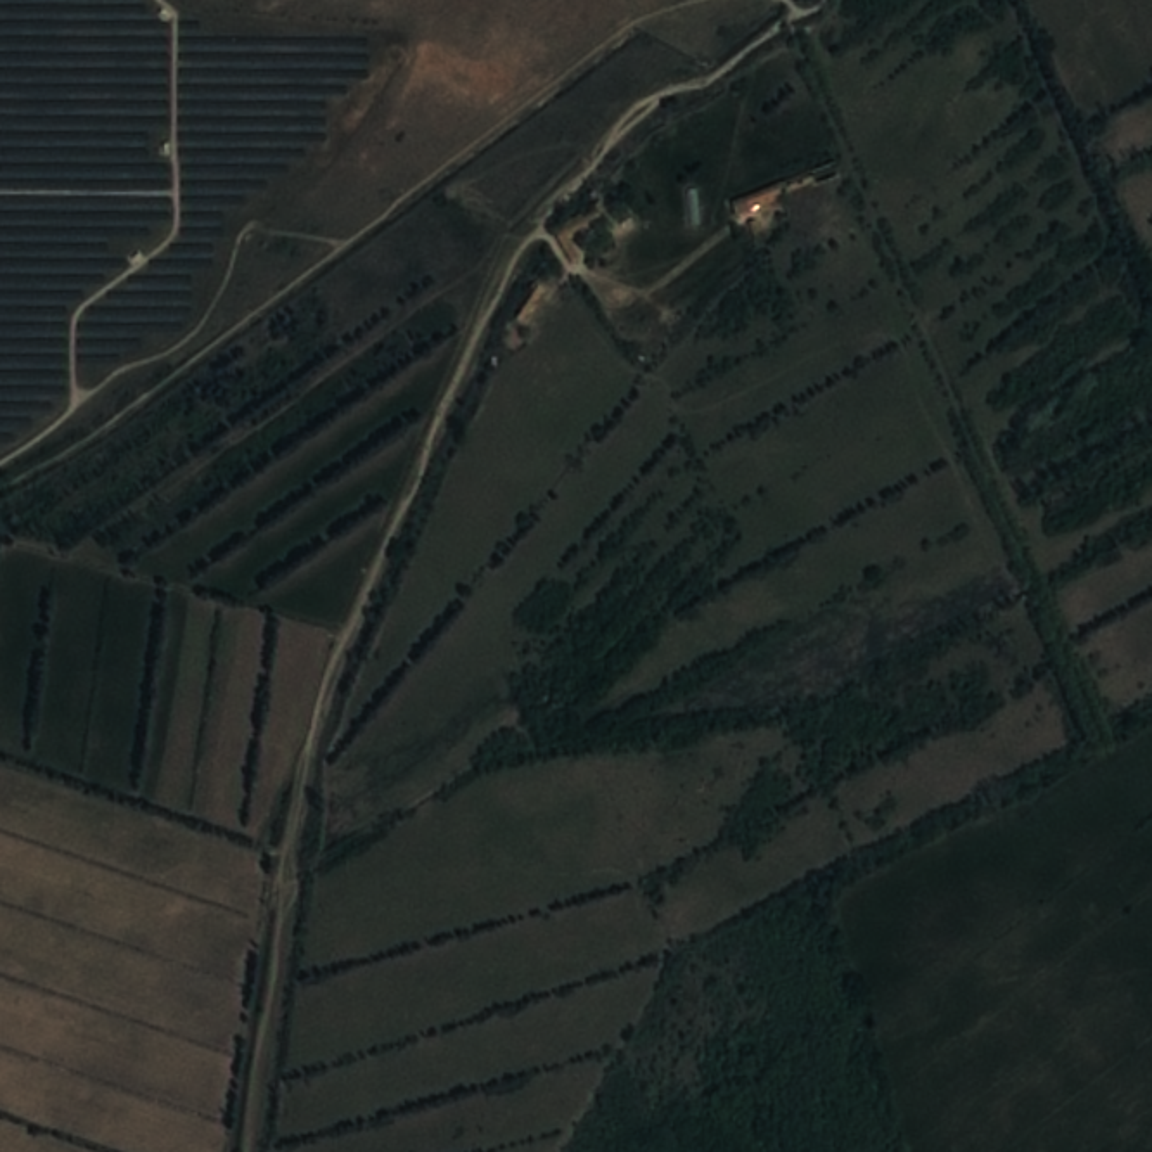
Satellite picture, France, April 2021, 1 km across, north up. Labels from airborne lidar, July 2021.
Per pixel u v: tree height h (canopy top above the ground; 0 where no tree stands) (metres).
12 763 7
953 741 0
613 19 0
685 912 0
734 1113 7
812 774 7
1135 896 0
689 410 0
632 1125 6
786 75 0
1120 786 0
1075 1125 0
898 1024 0
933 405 0
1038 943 0
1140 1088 0
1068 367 9
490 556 0
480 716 0
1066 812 0
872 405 0
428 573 0
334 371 0
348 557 0
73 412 0
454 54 0
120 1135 0
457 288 0
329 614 0
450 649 0
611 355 0
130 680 0
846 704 8
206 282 0
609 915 0
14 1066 0
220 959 0
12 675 0
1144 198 0
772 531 0
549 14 0
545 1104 0
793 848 0
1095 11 0
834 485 0
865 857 8
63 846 0
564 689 11
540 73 0
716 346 0
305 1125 0
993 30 0
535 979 0
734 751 0
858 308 0
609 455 0
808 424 0
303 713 0
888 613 0
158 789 0
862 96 0
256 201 0
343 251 0
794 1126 17
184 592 0
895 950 0
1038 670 7
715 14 0
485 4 0
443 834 0
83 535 25
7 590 0
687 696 7
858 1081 8
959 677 6
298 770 0
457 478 0
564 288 7
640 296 0
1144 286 16
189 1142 0
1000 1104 0
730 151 0
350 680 11
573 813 0
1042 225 0
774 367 0
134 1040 0
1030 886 0
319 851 7
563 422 0
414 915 0
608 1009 0
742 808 7
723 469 0
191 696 0
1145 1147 0
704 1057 8
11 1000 0
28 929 0
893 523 0
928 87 0
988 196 0
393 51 0
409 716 0
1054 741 0
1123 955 0
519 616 7
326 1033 0
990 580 0
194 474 0
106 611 0
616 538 8
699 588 5
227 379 12
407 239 0
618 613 9
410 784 0
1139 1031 0
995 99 0
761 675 0
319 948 0
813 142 0
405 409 0
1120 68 0
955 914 0
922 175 0
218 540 0
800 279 7
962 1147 0
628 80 0
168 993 0
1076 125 9
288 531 0
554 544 0
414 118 0
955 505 0
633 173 0
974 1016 0
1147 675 0
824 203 0
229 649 0
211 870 0
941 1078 0
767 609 0
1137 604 10
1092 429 7
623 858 0
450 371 0
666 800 0
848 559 0
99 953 0
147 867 0
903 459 0
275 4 0
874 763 6
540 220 0
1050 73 16
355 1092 0
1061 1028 0
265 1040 0
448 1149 0
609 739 7
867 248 0
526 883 0
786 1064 8
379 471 0
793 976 10
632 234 0
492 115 0
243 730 0
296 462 0
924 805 0
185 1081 0
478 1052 0
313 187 0
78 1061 0
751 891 0
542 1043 0
